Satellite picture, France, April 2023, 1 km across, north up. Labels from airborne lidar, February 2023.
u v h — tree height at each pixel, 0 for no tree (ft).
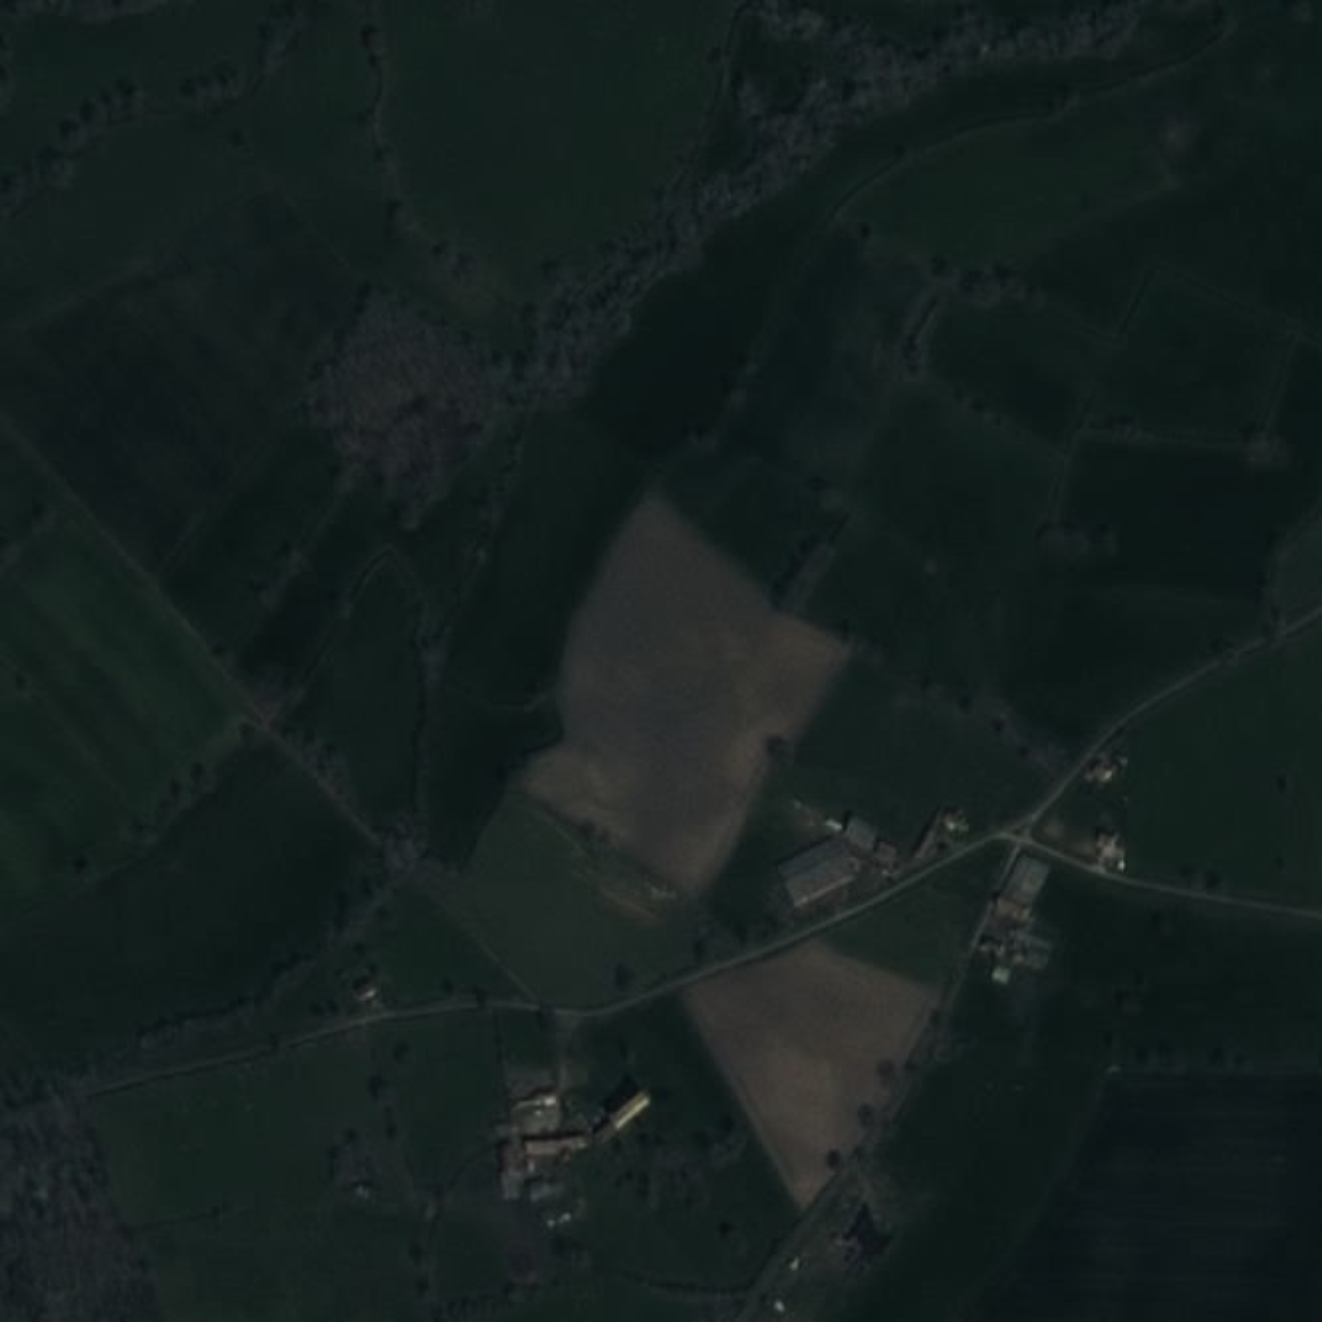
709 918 0
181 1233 0
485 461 0
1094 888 0
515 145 0
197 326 0
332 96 0
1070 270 0
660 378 0
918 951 0
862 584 0
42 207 0
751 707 0
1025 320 0
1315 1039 0
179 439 0
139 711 0
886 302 0
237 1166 0
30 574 0
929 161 0
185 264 0
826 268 0
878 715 0
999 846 0
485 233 0
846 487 0
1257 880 0
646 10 0
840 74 0
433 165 0
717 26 0
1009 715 0
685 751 0
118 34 0
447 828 0
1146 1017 0
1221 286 0
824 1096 0
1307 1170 0
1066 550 45
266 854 0
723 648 0
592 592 0
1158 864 0
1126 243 0
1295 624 0
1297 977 0
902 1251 0
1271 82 0
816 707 0
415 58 0
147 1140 0
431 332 71
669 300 0
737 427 0
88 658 0
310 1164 0
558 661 0
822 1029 0
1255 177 0
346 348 65
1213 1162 0
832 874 0
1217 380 0
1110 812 0
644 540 0
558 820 0
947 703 0
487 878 0
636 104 0
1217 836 0
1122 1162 0
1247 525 0
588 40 0
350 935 67
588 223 0
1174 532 0
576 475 0
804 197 0
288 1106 0
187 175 0
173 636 0
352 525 0
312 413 54
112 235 0
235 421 0
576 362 58
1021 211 0
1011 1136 0
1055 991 0
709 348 0
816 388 0
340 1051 0
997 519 0
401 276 0
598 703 0
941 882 0
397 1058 27
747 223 0
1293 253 0
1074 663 0
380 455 68
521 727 0
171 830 0
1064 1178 0
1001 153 0
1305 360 0
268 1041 0
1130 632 0
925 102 0
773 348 0
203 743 0
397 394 75
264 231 0
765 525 0
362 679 0
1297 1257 0
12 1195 83
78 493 0
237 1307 0
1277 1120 0
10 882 0
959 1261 0
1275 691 0
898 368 0
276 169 0
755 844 0
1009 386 0
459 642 0
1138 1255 0
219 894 0
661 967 0
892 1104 0
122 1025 0
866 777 0
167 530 0
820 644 0
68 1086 78
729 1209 0
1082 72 0
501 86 0
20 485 0
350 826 0
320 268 0
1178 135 0
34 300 0
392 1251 0
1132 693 0
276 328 0
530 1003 0
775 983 0
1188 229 0
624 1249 0
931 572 0
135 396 0
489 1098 0
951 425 0
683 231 60
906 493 0
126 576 0
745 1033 0
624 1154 38
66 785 0
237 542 0
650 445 0
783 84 0
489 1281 0
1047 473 0
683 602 0
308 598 0
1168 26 0
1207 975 0
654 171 0
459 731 0
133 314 0
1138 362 0
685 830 0
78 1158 82
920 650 0
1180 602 0
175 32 0
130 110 59
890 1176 0
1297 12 58
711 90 0
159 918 0
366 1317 0
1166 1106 0
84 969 0
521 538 0
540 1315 0
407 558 0
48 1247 59
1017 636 0
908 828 0
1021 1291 0
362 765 0
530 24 0
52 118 0
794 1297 0
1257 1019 0
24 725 0
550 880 0
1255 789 0
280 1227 0
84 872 46
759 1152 0
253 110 0
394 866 67
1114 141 0
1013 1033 0
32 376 0
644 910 0
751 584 0
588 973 0
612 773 0
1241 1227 0
